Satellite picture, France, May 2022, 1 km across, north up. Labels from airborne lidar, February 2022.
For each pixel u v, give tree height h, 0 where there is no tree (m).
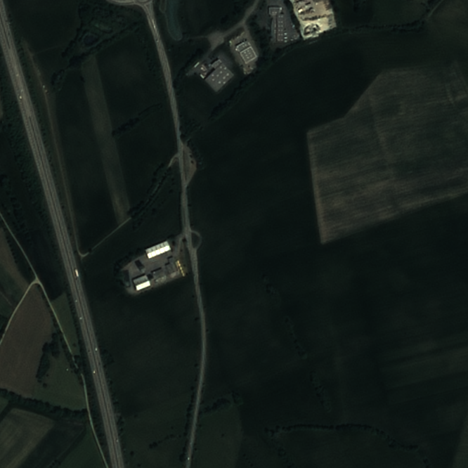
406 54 0
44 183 0
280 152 0
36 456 0
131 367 0
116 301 0
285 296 0
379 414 0
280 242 0
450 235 0
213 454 0
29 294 0
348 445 0
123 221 0
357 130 0
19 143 7
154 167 0
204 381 0
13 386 0
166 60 0
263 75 0
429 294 0
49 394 0
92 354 0
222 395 0
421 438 0
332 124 0
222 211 0
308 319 0
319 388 7
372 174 0
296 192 0
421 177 0
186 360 0
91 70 0
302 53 0
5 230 7
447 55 0
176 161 0
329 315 0
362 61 0
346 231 0
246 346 0
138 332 0
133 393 0
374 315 0
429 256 0
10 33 0
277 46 0
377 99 0
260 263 0
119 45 0
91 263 0
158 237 0
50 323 0
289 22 0
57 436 0
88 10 10
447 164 0
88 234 0
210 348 0
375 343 0
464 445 0
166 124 0
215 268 0
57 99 0
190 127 7
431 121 0
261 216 0
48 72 0
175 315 0
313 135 0
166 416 0
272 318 0
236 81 0
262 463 0
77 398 0
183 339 0
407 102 0
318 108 0
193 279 0
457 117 0
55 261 0
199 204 0
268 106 0
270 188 0
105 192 0
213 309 0
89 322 0
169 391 0
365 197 0
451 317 0
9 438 0
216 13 0
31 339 0
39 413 0
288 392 0
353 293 0
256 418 0
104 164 0
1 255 0
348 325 0
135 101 0
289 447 0
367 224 0
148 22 0
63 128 0
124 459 0
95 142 0
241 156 0
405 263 0
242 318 0
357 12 14
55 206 0
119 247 0
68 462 0
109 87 0
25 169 8
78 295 0
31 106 0
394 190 0
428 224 0
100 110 0
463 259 0
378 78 0
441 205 0
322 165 0
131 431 0
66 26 0
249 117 0
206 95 0
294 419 0
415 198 0
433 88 0
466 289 0
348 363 0
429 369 0
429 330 0
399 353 0
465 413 0
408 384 0
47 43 0
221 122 0
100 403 0
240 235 0
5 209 7
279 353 0
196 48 0
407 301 0
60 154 0
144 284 0
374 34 0
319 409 0
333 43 0
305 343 0
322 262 0
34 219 0
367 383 0
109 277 0
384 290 0
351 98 0
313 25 0
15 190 0
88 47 9
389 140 0
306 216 0
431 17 0
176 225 0
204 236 0
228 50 0
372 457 0
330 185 0
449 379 0
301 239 0
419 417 0
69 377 0
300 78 0
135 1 0
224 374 0
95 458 0
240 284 0
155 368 0
